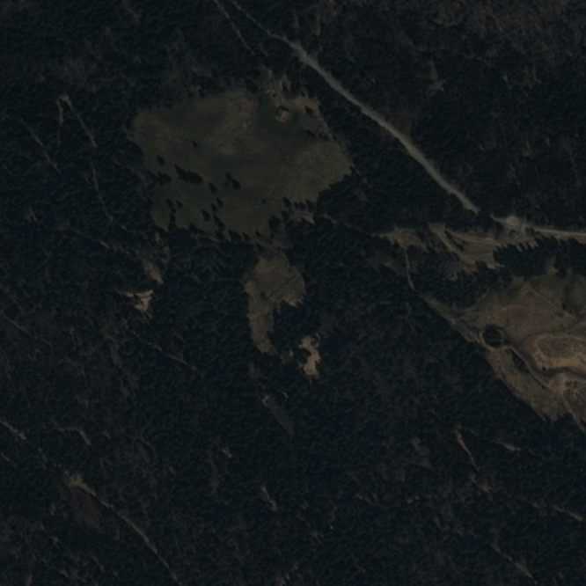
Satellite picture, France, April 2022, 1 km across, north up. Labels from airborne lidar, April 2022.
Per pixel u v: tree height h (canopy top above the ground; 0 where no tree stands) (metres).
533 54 27
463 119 13
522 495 19
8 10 25
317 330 24
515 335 0
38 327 10
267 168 0
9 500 24
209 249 22
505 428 19
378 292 27
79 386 15
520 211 20
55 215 24
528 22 25
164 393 24
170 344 35
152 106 15
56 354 12
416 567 19
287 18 13
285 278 0
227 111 0
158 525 24
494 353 0
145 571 16
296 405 21
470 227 8
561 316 0
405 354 25
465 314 0
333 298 28
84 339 24
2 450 17
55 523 25
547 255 27
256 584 34
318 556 25
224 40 23
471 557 24
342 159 0
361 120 13
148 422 31
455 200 16
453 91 25
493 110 18
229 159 0
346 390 32
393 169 23
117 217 28
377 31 12
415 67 19
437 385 12
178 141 0
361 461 27
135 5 13
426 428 32
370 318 20
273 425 27
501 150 11
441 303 0
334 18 18
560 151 18
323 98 19
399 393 27
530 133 14
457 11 26
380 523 15
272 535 31
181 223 0
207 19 16
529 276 26
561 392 0
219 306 27
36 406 23
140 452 30
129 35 7
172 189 0
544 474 28
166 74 15
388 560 27
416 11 10
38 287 32
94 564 29
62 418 28
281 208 0
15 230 17
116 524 21
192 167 0
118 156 18
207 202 0
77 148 24
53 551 21
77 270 23
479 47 17
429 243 17
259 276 0
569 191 18
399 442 19
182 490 27
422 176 25
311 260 21
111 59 21
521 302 0
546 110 18
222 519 37
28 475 26
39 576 12
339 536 19
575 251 21
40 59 26
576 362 0
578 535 20
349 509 17
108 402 9
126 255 12
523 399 0
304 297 0
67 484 14
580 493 12
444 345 25
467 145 16
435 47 13
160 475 25
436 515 18
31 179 25
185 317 32
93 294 21
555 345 0
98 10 24
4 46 25
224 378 30
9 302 30
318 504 26
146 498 21
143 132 0
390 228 24
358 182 16
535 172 19
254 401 28
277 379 33
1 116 27
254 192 0
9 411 20
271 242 10
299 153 0
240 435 33
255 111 0
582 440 22
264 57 20
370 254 33
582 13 27
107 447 17
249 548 30
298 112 0
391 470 26
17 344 13
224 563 31
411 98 15
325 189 0
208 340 26
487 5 23
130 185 33
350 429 30
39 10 25
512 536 33
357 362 23
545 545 20
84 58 18
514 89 6
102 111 17
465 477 26
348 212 14
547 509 14
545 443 29
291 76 16
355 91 17
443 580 25
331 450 26
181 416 21
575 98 19
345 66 19
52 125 13
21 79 22
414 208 23
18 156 12
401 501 24
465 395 21
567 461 20
